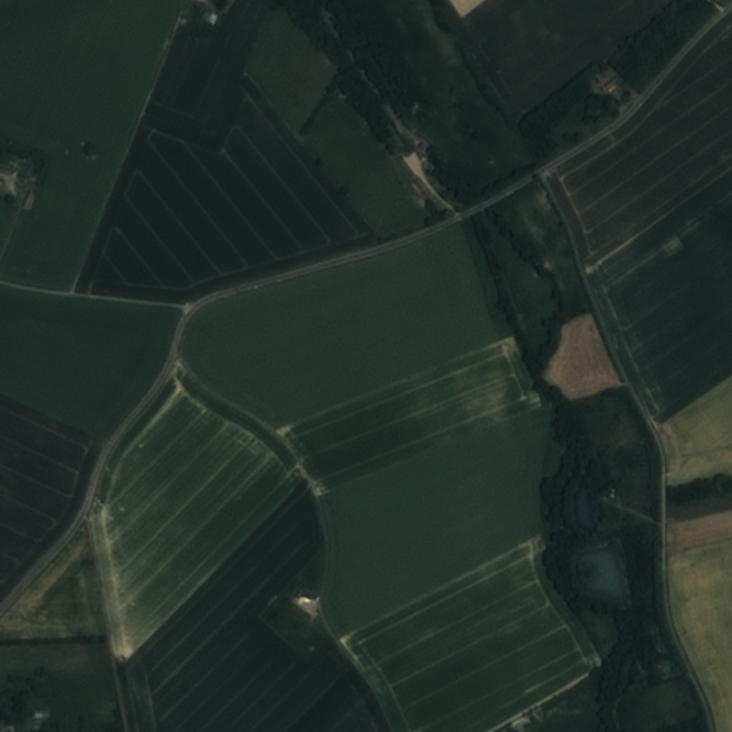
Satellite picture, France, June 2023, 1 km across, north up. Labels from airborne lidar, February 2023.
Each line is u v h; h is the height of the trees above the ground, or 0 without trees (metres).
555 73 0
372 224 0
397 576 0
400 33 0
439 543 0
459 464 0
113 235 0
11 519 0
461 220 0
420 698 0
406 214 0
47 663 0
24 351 0
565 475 14
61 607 0
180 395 0
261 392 0
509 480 0
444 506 0
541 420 0
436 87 0
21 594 0
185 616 0
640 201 0
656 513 6
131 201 0
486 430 0
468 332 0
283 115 0
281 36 0
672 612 0
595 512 7
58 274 0
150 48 0
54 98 0
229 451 0
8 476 0
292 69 0
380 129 15
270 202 0
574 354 0
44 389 0
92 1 0
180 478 0
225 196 0
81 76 0
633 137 0
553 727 0
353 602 0
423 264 0
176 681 0
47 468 0
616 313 0
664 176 0
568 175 0
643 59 23
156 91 0
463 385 0
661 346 0
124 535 0
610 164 0
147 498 0
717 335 0
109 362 0
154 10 0
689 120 0
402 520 0
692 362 0
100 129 0
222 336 0
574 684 0
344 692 0
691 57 0
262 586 0
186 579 0
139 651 0
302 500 0
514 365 0
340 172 0
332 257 0
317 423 0
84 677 0
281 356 0
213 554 0
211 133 0
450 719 0
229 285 0
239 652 0
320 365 0
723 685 0
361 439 0
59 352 0
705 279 0
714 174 0
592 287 0
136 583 0
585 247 0
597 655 0
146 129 0
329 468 0
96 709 0
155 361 0
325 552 0
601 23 0
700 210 0
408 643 0
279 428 0
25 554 0
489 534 0
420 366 0
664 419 0
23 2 0
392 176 0
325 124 0
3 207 0
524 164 0
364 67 18
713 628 0
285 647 0
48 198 0
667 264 0
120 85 0
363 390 0
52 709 0
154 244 0
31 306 0
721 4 0
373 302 0
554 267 0
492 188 11
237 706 0
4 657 0
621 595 0
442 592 0
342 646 0
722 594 0
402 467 0
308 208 0
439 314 0
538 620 0
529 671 0
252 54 0
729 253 0
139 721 0
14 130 0
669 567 0
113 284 0
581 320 0
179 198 0
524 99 0
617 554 7
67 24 0
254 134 0
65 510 0
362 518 0
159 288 0
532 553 0
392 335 0
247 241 0
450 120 0
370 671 0
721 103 0
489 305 0
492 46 0
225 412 0
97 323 0
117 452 0
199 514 0
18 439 0
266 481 0
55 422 0
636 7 0
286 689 0
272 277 0
